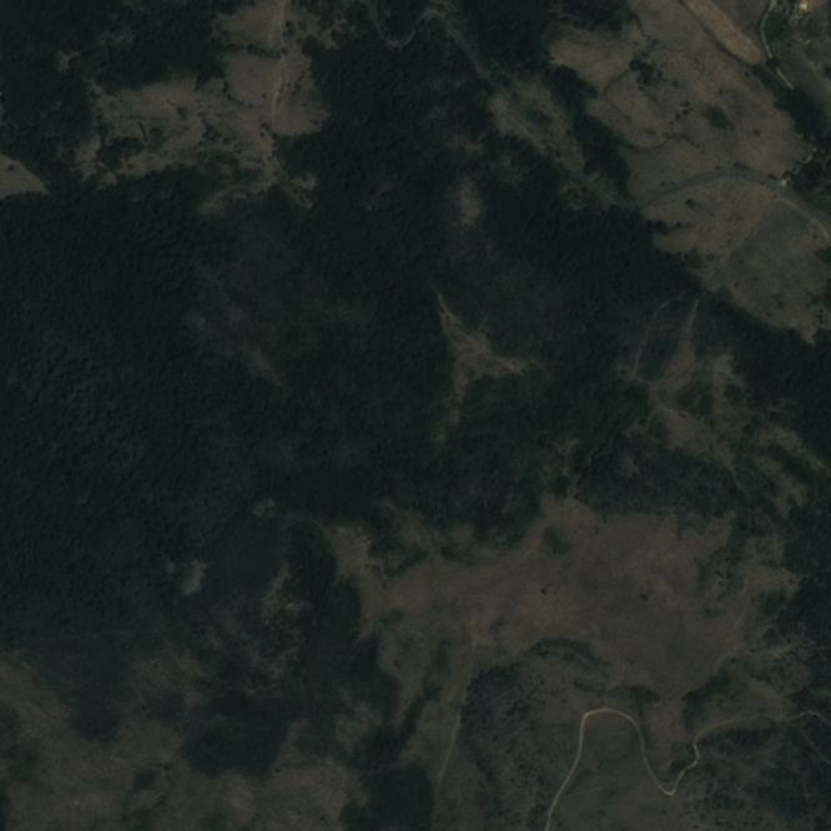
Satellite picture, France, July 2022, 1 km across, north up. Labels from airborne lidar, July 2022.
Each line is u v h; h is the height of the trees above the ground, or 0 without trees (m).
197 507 6
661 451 7
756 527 7
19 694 0
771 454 7
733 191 0
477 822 0
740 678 0
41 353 17
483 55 8
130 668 0
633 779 0
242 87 0
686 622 0
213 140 7
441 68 9
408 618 0
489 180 7
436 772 0
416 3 10
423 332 7
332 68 12
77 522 11
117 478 6
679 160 0
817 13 0
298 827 0
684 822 0
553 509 0
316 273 6
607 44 0
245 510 7
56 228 13
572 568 0
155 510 7
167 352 10
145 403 10
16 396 10
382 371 10
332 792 0
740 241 0
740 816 0
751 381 6
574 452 7
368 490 7
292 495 10
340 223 17
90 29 10
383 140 14
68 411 12
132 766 0
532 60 10
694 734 0
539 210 13
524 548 0
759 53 0
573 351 8
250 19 0
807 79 0
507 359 0
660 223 9
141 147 9
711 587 0
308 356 8
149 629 0
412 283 8
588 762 0
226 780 0
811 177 11
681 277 9
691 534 0
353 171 13
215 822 0
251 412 9
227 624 0
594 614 0
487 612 0
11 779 0
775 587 0
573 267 12
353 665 9
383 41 11
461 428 9
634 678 0
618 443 6
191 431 11
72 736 0
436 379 7
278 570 0
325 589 11
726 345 7
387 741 6
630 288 9
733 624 0
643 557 0
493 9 12
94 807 0
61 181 9
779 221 0
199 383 10
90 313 17
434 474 6
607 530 0
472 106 11
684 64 0
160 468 9
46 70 15
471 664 0
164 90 0
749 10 0
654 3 0
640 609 0
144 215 11
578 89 9
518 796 0
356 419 8
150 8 7
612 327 6
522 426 8
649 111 0
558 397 10
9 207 12
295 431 8
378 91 15
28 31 12
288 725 0
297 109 0
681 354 0
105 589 7
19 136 7
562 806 0
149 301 15
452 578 0
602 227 8
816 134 11
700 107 0
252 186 0
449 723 0
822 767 7
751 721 0
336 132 10
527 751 0
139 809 0
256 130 0
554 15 8
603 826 0
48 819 0
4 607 6
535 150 6
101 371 8
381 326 9
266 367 0
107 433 13
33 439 12
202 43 6
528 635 0
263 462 6
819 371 11
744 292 0
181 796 0
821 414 9
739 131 0
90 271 17
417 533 0
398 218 9
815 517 10
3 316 17
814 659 6
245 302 8
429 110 7
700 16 0
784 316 0
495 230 10
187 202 9
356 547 0
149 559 7
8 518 11
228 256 8
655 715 0
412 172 12
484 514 6
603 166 8
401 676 0
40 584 11
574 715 0
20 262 17
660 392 0
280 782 0
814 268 0
